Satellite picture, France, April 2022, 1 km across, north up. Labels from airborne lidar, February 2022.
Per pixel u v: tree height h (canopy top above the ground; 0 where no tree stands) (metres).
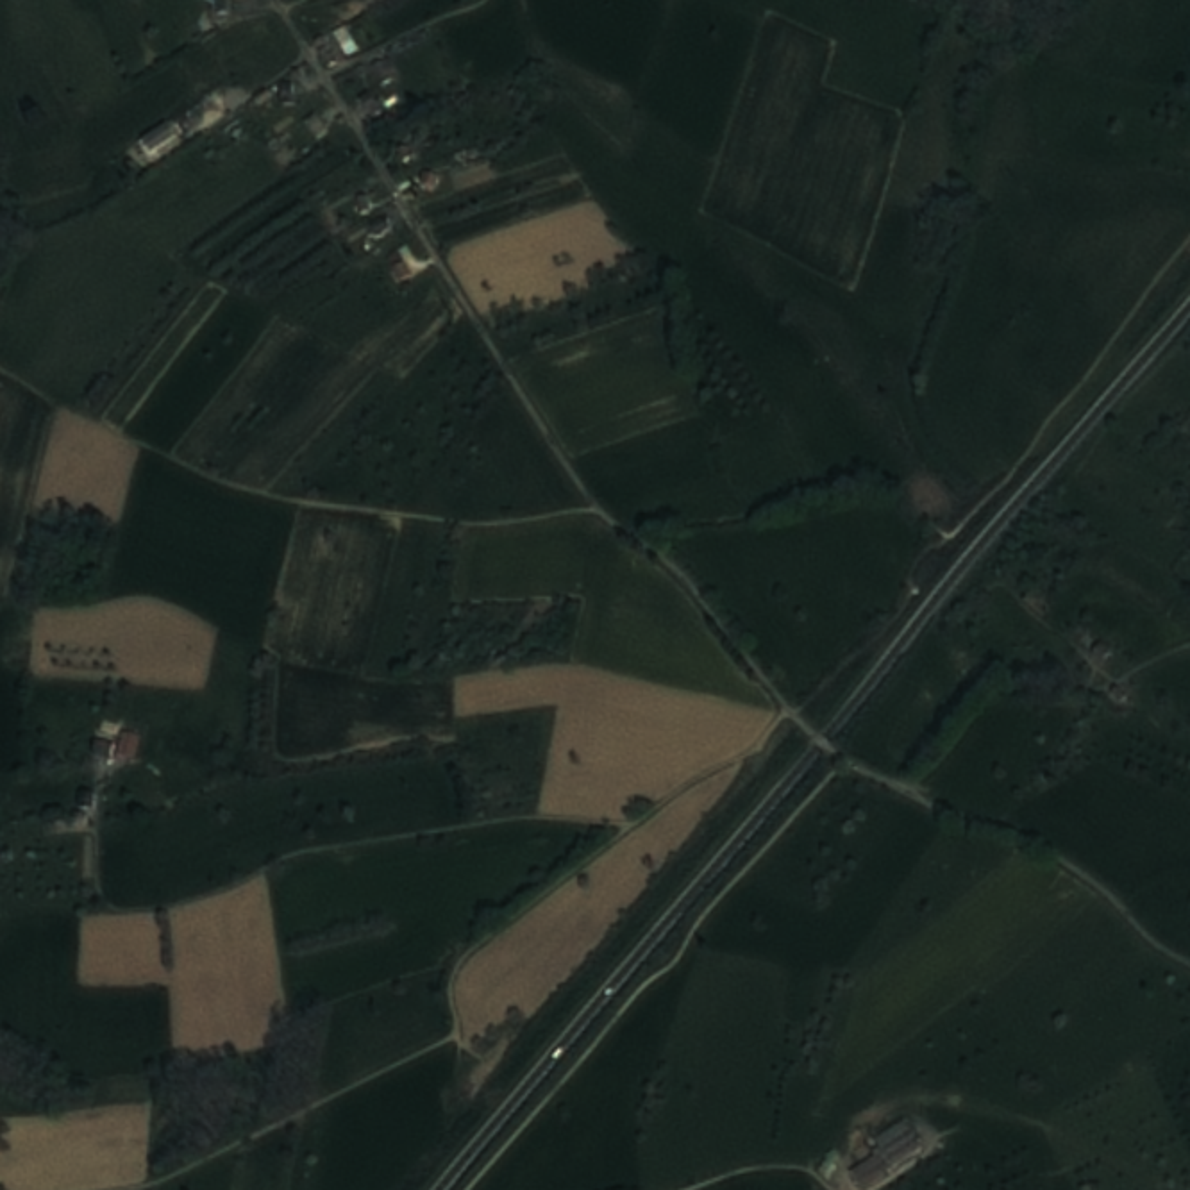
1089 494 0
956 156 0
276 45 0
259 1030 0
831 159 0
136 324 0
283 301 0
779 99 0
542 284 0
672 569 0
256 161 0
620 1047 0
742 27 0
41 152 0
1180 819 0
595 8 0
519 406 0
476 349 0
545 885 12
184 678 0
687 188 0
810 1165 0
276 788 0
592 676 0
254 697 11
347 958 0
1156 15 0
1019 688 20
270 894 0
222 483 0
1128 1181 0
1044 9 20
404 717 0
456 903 0
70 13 0
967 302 0
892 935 0
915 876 0
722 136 0
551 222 0
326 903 0
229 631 0
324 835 0
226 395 0
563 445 0
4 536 0
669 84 0
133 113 0
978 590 8
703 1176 0
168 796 0
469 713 0
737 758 0
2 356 0
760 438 0
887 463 0
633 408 0
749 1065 0
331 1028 21
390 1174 0
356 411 0
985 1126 0
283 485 0
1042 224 0
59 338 0
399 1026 0
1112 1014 0
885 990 0
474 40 0
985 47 13
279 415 0
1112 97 0
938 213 26
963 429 0
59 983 0
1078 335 0
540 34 0
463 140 9
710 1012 0
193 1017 0
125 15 0
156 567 0
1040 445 0
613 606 0
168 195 0
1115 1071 0
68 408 0
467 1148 0
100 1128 0
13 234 22
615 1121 0
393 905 0
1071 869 0
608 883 0
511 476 0
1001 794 0
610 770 0
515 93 7
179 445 0
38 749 0
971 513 0
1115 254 0
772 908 0
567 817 0
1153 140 0
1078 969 0
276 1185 0
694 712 0
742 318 0
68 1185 0
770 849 0
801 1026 0
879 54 0
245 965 0
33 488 0
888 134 0
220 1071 29
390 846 0
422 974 0
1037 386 0
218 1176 0
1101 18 0
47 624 0
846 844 0
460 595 0
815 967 0
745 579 0
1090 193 0
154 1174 8
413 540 0
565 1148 0
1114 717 0
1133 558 0
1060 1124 0
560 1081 0
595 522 0
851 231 0
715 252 0
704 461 0
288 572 0
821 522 0
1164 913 0
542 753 0
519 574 0
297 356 0
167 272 0
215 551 0
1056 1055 0
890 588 0
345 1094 0
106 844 0
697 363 22
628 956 0
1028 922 0
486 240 0
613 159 0
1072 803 0
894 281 0
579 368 0
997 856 0
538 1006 0
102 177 0
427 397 0
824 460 0
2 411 0
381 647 0
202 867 0
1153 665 0
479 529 0
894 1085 0
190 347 0
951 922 0
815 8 0
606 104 0
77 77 0
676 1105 0
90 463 0
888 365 0
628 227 0
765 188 0
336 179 0
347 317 0
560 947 0
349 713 0
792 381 0
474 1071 0
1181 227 0
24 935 0
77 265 0
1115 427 14
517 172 0
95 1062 0
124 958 0
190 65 0
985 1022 0
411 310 0
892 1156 0
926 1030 0
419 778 0
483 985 0
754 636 13
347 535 0
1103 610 0
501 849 0
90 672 0
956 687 0
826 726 0
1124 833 0
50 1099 24
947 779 0
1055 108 0
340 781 0
